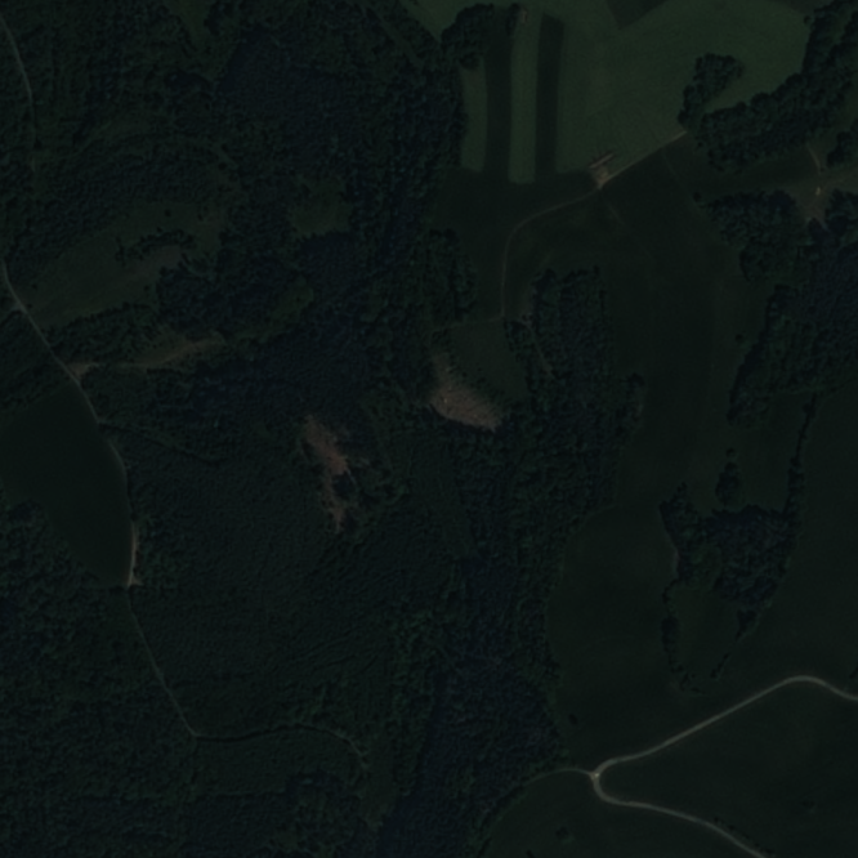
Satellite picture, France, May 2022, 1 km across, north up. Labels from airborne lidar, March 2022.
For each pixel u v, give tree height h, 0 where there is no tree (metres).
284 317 25
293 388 34
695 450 0
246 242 14
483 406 0
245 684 15
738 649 0
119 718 24
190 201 10
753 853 0
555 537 13
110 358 9
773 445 0
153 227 0
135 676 16
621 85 0
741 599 28
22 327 8
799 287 30
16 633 29
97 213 9
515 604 22
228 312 35
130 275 0
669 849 0
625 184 0
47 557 23
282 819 15
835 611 0
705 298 0
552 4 0
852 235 33
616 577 0
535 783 0
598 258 0
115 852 15
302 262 29
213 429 18
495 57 0
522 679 27
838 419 0
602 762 0
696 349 0
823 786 0
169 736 17
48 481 0
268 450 9
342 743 7
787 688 0
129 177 11
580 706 0
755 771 0
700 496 0
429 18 0
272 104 28
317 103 31
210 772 9
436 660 19
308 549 11
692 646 0
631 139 0
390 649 11
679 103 0
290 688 10
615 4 0
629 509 0
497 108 0
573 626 0
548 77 0
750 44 0
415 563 14
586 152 0
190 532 13
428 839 32
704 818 0
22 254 13
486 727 29
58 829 17
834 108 20
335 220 0
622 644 0
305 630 7
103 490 0
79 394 0
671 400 0
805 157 0
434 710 16
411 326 30
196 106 15
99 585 19
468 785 31
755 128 19
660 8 0
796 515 16
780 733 0
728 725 0
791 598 0
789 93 15
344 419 27
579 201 0
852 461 0
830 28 22
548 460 21
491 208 0
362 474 30
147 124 0
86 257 0
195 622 11
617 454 9
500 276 0
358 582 13
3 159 25
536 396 23
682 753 0
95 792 18
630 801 0
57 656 18
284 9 31
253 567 13
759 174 0
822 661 0
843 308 30
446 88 13
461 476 14
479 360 0
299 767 8
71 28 16
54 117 13
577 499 23
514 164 0
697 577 30
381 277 21
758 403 25
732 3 0
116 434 12
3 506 16
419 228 20
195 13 0
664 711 0
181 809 17
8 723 16
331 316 31
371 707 10
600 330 8
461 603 23
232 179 8
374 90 25
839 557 0
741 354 0
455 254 17
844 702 0
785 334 25
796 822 0
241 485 13
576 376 16
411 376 28
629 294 0
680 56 0
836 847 0
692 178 0
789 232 33
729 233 17
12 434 0
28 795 19
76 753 19
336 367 23
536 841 0
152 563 13
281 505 13
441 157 23
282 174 18
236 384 39
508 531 15
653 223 0
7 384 8
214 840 18
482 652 31
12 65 10
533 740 30
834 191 0
